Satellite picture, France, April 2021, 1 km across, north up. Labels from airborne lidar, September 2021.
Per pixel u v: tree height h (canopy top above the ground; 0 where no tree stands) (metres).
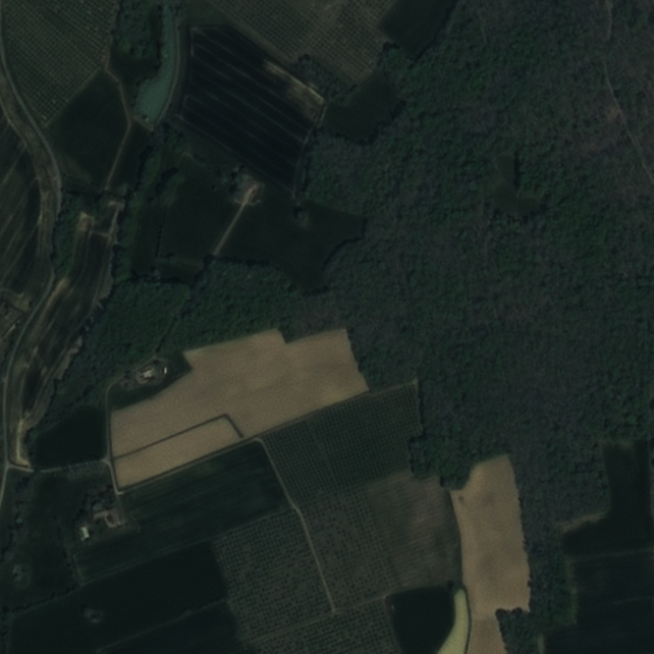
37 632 0
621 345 21
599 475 15
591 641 0
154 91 0
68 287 0
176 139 22
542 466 21
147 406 0
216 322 16
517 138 22
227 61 0
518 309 15
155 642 0
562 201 14
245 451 0
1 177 0
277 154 0
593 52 22
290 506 0
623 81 17
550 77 21
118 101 0
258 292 24
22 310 0
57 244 18
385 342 20
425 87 17
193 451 0
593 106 18
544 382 18
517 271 17
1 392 0
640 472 0
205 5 0
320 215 0
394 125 15
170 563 0
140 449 0
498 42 16
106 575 0
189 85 0
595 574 0
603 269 20
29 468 0
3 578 0
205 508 0
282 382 0
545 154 15
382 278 20
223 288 22
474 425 21
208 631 0
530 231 18
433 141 26
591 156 17
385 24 0
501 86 17
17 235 0
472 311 17
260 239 0
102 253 0
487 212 17
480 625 0
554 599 23
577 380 18
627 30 17
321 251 0
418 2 0
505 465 0
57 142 0
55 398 7
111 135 0
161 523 0
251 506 0
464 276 17
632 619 0
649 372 19
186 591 0
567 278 23
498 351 23
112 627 0
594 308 23
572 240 23
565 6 22
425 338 18
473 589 0
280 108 0
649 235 12
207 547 0
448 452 24
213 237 0
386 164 19
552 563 19
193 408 0
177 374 0
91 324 0
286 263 0
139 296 13
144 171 15
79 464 0
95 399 16
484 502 0
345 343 0
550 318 20
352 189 19
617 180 18
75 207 19
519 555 0
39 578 0
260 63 0
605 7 18
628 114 17
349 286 19
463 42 20
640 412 20
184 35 0
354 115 0
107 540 0
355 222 0
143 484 0
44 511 0
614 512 0
